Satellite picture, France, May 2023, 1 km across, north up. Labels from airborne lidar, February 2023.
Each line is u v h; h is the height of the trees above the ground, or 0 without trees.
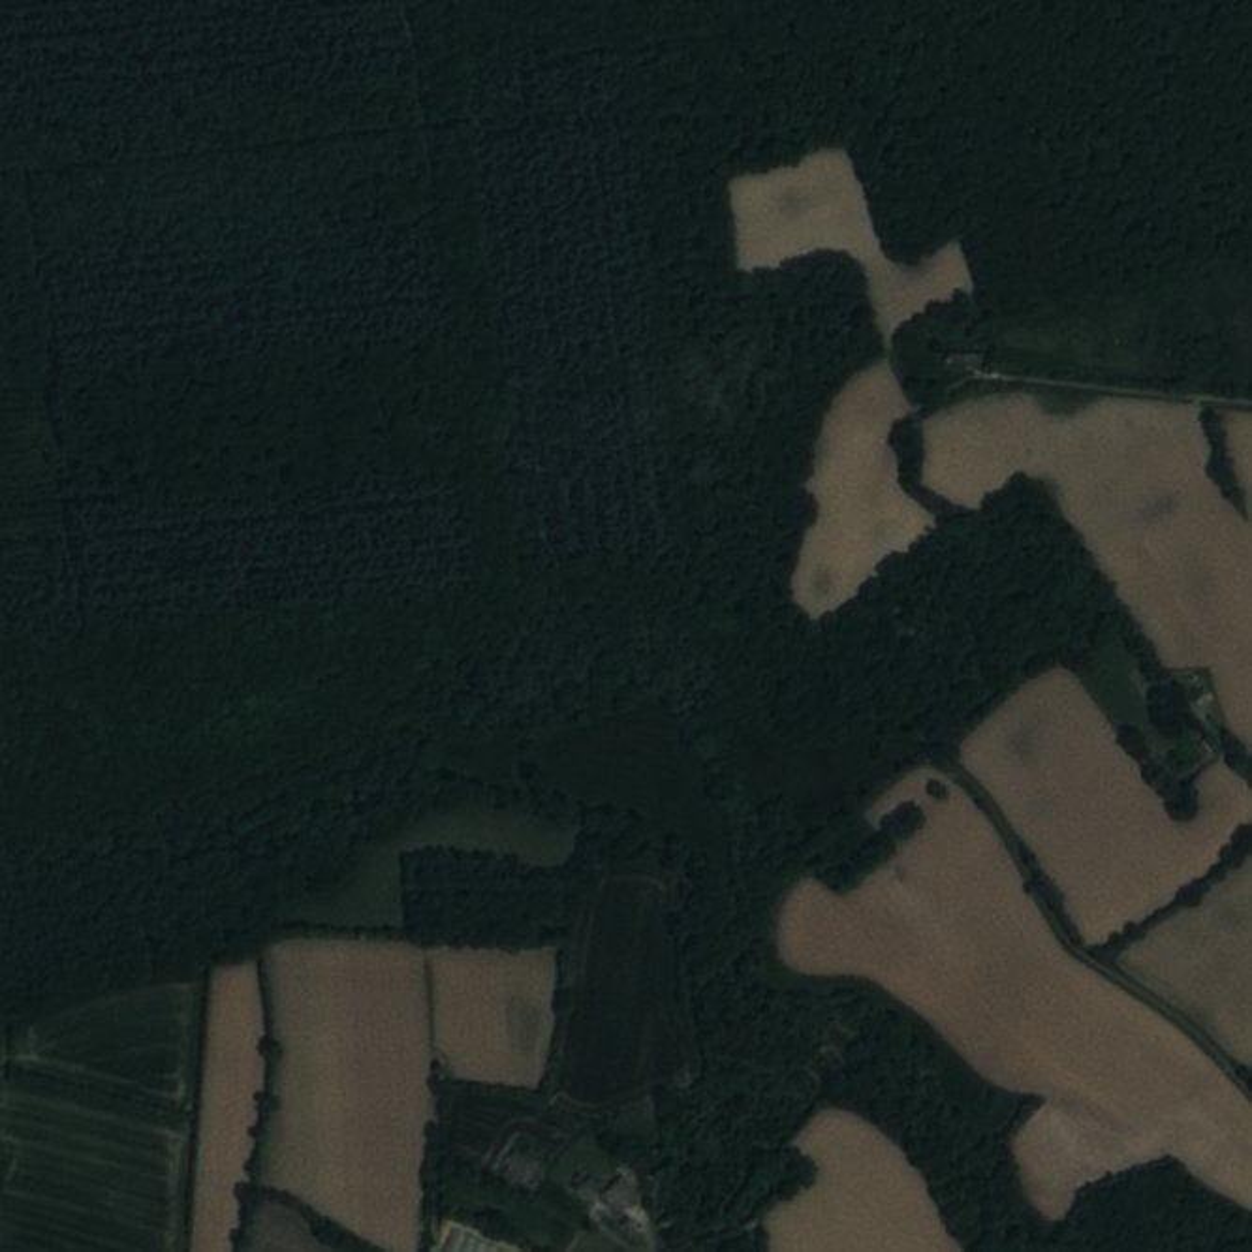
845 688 14
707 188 23
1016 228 26
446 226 21
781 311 22
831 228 0
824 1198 0
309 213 15
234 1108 0
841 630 17
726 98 24
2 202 16
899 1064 20
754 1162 12
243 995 0
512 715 12
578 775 0
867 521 0
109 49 20
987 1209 16
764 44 21
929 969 0
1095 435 0
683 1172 11
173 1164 0
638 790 0
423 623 18
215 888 21
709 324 18
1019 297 18
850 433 0
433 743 12
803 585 0
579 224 29
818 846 13
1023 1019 0
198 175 12
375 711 14
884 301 0
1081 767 0
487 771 0
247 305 21
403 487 25
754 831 9
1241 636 0
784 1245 0
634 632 12
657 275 22
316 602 15
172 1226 0
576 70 23
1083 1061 0
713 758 17
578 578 20
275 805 13
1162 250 19
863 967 0
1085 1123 0
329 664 18
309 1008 0
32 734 16
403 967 0
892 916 0
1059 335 0
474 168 20
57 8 26
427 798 19
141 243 17
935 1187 17
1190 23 22
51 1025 0
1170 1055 0
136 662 19
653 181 17
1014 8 23
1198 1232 6
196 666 18
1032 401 0
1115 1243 17
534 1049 0
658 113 16
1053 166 29
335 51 16
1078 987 0
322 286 20
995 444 0
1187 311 0
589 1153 0
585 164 22
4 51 23
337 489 22
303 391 28
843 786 0
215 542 16
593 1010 0
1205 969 0
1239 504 10
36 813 20
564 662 10
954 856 0
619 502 20
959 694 18
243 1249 14
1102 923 0
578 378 13
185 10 24
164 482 24
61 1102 0
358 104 17
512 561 20
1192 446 0
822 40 20
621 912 0
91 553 25
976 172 25
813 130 19
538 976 0
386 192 20
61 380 23
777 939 0
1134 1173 7
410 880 9
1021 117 24
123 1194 0
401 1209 0
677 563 18
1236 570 0
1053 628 12
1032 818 0
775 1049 10
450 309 19
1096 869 0
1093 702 0
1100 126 24
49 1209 0
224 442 24
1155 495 0
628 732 0
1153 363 0
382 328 27
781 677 11
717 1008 20
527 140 21
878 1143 0
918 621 7
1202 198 22
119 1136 0
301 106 20
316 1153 0
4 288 22
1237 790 0
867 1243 0
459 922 26
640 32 19
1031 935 0
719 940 9
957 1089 0
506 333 28
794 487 20
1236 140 23
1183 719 9
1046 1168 0
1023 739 0
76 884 21
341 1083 0
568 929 8
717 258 24
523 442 18
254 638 18
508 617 18
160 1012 0
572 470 17
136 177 12
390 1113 0
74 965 25
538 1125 0
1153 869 0
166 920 22
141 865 25
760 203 0
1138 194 23
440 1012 0
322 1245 14
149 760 16
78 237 21
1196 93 26
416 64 16
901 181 21
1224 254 15
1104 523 0
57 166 15
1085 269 22
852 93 18
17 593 12
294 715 13
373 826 23
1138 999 0
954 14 24
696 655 14
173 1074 0
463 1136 0
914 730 10
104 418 27
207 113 20
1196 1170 0
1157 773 14
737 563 19
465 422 20
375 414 21
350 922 0
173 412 25
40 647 19
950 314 7
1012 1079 0
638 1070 0
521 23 17
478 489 20
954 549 19
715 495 23
